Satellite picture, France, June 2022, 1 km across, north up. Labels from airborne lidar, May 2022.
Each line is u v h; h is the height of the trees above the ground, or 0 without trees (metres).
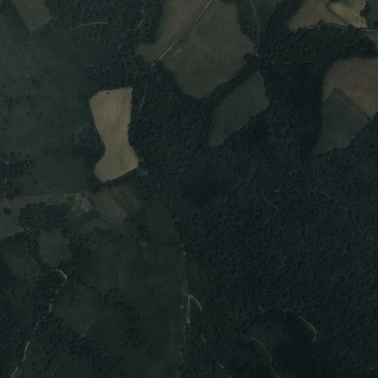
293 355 26
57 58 0
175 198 12
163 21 0
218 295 24
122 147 0
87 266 0
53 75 0
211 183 31
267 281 20
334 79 0
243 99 0
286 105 23
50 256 0
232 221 19
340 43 0
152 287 0
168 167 17
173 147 10
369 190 26
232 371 15
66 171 0
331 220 28
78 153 9
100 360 22
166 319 0
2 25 0
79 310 0
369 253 26
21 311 11
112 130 0
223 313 12
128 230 0
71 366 0
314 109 23
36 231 7
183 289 0
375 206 24
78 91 0
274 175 21
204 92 0
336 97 0
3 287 19
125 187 0
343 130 0
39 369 0
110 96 0
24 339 11
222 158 16
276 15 19
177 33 0
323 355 19
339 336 10
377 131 20
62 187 0
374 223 23
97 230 10
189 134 16
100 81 15
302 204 26
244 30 17
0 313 13
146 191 7
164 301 0
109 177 0
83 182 0
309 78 12
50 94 0
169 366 0
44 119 0
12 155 13
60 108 0
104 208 0
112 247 0
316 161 24
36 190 0
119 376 15
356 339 22
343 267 18
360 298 14
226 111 0
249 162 23
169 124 10
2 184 0
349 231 31
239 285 22
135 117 12
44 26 0
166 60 0
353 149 19
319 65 0
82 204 0
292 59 0
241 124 0
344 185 21
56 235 0
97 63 9
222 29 0
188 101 23
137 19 8
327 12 0
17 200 0
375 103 0
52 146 0
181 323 0
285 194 27
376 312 19
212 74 0
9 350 15
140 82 18
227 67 0
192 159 24
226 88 9
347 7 0
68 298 0
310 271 21
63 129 0
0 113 0
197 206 19
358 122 0
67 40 0
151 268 0
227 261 21
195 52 0
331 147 0
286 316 11
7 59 0
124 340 0
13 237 9
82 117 0
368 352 9
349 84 0
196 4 0
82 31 0
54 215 22
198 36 0
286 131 16
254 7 0
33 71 0
